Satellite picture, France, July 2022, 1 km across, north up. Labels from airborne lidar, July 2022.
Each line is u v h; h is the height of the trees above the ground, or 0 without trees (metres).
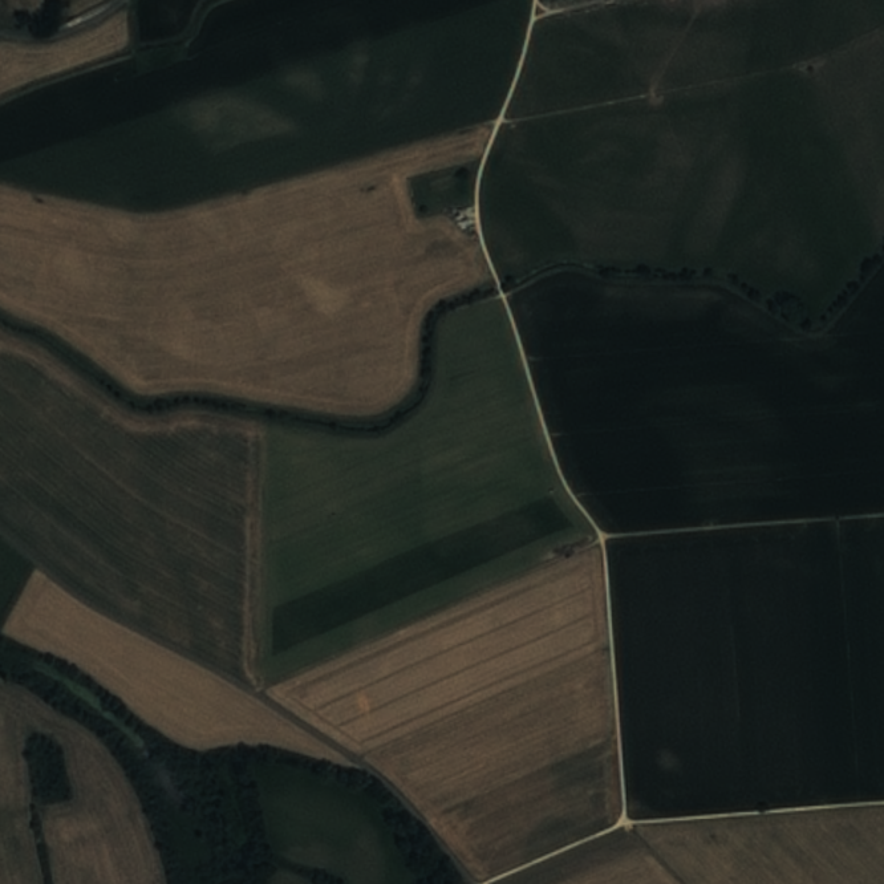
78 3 0
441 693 0
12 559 0
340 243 0
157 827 7
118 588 0
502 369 0
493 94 0
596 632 0
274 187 0
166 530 0
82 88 0
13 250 0
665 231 0
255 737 0
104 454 0
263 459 0
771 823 0
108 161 0
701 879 0
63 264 0
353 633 0
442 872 22
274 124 0
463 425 0
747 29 0
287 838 0
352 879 0
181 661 0
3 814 0
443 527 0
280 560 0
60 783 7
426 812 0
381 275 0
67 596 0
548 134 0
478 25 0
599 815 0
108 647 0
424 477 0
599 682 0
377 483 0
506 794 0
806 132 0
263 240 0
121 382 0
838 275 0
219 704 0
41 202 0
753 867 0
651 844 0
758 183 0
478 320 0
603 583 0
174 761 13
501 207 0
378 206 0
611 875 0
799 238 0
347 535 0
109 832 0
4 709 0
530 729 0
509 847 0
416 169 0
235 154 0
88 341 0
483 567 0
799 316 15
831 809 0
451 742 0
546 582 0
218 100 0
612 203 0
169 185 0
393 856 0
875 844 0
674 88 0
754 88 0
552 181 0
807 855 0
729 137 0
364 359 0
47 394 0
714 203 0
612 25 0
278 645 0
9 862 0
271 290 0
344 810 0
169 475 0
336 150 0
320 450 0
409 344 0
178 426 0
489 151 0
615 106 0
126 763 6
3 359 0
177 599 0
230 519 0
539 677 0
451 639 0
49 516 0
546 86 0
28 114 0
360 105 0
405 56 0
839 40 0
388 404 0
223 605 0
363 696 0
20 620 0
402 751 0
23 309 0
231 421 0
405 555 0
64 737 0
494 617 0
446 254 0
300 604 0
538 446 0
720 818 0
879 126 0
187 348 0
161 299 0
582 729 0
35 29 14
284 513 0
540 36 0
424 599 0
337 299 0
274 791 0
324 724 0
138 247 0
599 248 0
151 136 0
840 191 0
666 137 0
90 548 0
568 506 0
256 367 0
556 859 0
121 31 0
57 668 14
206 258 0
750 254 0
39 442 0
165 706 0
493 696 0
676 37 0
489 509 0
